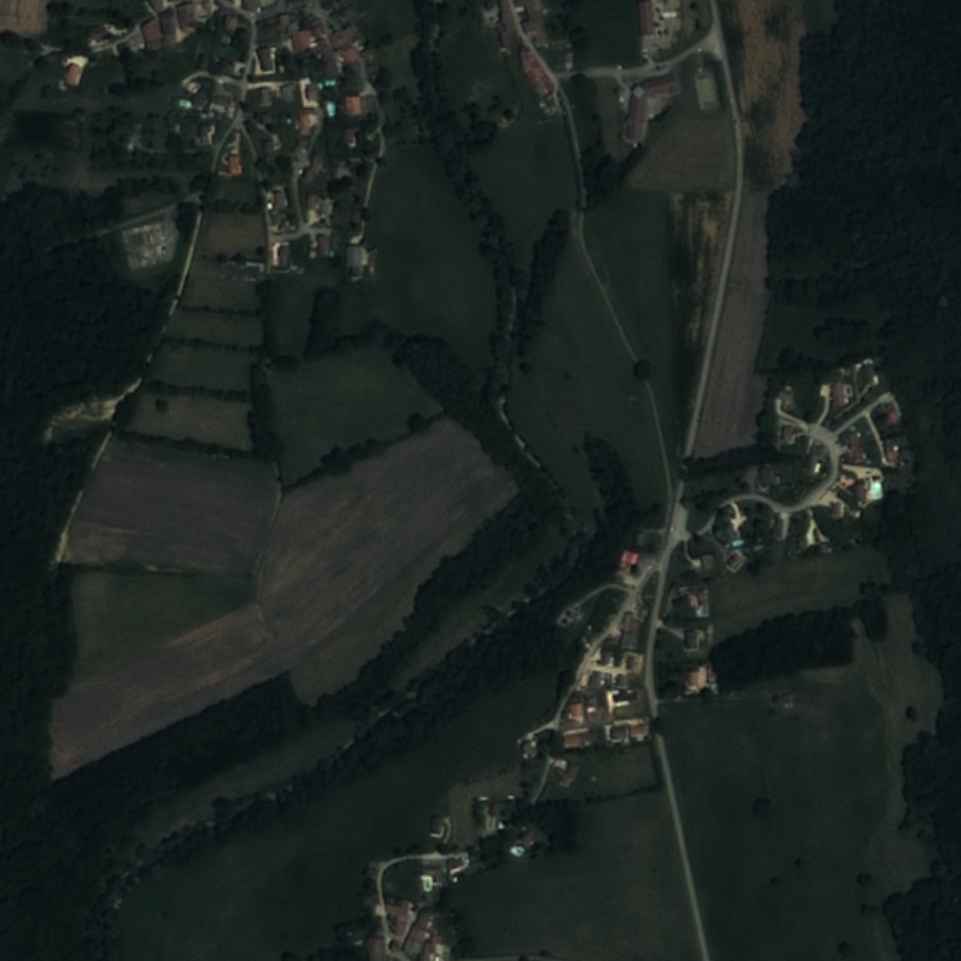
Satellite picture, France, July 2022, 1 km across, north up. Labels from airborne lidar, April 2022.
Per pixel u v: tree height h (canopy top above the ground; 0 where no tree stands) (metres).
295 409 0
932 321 10
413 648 13
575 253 0
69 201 22
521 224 0
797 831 0
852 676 0
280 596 0
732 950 0
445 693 20
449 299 0
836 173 15
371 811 0
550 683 0
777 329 0
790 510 0
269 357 12
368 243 8
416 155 0
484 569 16
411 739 19
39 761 23
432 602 19
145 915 0
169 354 0
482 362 0
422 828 0
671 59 0
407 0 0
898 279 12
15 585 26
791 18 0
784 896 0
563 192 0
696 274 0
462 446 0
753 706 0
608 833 0
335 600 0
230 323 0
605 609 0
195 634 0
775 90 0
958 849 15
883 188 19
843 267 16
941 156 10
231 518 0
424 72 16
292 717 12
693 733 0
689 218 0
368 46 12
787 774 0
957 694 16
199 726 15
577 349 0
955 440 6
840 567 0
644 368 15
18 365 19
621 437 0
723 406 0
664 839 0
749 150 0
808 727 0
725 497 7
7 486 21
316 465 0
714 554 6
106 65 0
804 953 0
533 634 13
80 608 0
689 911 0
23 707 16
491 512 0
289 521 0
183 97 0
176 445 6
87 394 7
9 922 19
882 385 0
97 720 0
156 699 0
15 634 20
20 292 18
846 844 0
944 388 8
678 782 0
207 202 12
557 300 0
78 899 21
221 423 0
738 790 0
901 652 0
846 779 0
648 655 0
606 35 0
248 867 0
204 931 0
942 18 18
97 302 25
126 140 7
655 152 0
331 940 0
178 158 6
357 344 19
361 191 0
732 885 0
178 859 14
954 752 17
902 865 0
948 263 15
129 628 0
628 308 0
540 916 0
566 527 19
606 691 0
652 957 0
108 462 0
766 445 17
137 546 0
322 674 0
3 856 9
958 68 15
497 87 0
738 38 0
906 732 0
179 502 0
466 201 12
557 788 0
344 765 21
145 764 17
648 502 0
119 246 0
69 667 16
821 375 14
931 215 10
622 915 0
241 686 0
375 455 17
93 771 12
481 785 0
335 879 0
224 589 0
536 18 0
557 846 14
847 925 0
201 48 0
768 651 24
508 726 0
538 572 0
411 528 0
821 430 0
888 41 11
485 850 15
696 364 0
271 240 0
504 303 13
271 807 24
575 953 0
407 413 0
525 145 0
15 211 23
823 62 14
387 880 0
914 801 10
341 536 0
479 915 0
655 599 0
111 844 22
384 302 0
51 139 0
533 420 0
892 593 9
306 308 0
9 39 20
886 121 8
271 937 0
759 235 0
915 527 9
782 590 0
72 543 0
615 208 0
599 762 0
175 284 6
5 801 23
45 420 21
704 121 0
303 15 6
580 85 11
